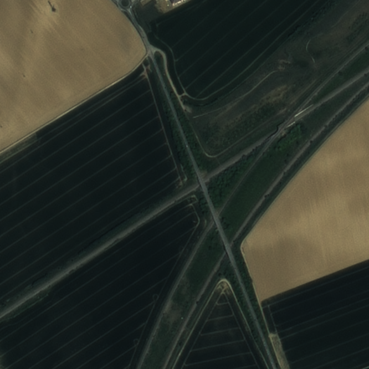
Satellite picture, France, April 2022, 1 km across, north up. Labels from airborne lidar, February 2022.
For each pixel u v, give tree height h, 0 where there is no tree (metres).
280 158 0
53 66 0
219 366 0
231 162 0
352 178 0
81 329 0
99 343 0
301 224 0
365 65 0
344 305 0
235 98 0
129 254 0
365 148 0
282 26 0
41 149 0
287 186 0
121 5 0
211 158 0
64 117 0
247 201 0
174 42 0
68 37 0
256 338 11
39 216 0
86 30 0
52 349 0
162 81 0
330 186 0
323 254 0
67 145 0
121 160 0
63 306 0
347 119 0
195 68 0
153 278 0
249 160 11
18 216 0
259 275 0
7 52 0
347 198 0
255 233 0
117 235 0
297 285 0
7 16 0
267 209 0
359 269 0
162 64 0
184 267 0
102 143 0
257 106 0
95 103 0
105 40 0
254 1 0
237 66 0
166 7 0
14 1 0
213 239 7
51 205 0
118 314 0
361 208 0
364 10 0
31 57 0
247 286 6
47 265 0
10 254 0
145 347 0
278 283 0
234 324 0
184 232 0
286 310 0
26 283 0
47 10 0
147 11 0
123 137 0
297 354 0
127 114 0
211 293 0
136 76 0
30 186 0
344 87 0
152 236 0
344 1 0
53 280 0
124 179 0
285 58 0
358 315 0
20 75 0
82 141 0
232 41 0
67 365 0
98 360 0
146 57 0
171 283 0
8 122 0
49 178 0
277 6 0
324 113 0
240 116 0
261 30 0
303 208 0
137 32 0
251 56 0
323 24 0
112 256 0
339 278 0
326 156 0
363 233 0
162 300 0
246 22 0
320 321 0
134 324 0
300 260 0
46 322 0
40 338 0
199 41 0
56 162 0
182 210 0
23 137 0
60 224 0
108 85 0
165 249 0
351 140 0
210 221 0
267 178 0
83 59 0
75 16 0
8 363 0
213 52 0
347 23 0
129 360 0
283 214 0
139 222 0
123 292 0
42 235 0
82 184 0
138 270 0
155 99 0
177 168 0
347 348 0
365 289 0
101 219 0
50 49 0
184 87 0
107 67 0
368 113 0
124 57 0
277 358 0
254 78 0
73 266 0
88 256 0
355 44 0
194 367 0
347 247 0
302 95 0
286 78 0
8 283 0
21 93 0
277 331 0
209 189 6
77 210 0
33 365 0
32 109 0
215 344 0
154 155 0
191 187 0
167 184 0
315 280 0
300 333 0
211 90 0
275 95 0
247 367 0
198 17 0
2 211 0
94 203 0
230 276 7
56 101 0
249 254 0
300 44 0
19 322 0
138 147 0
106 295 0
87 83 0
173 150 0
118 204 0
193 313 0
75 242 0
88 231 0
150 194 0
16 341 0
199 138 0
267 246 0
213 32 0
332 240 0
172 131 13
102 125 0
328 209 0
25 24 0
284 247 0
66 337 0
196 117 0
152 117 0
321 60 0
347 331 0
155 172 0
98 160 0
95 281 0
